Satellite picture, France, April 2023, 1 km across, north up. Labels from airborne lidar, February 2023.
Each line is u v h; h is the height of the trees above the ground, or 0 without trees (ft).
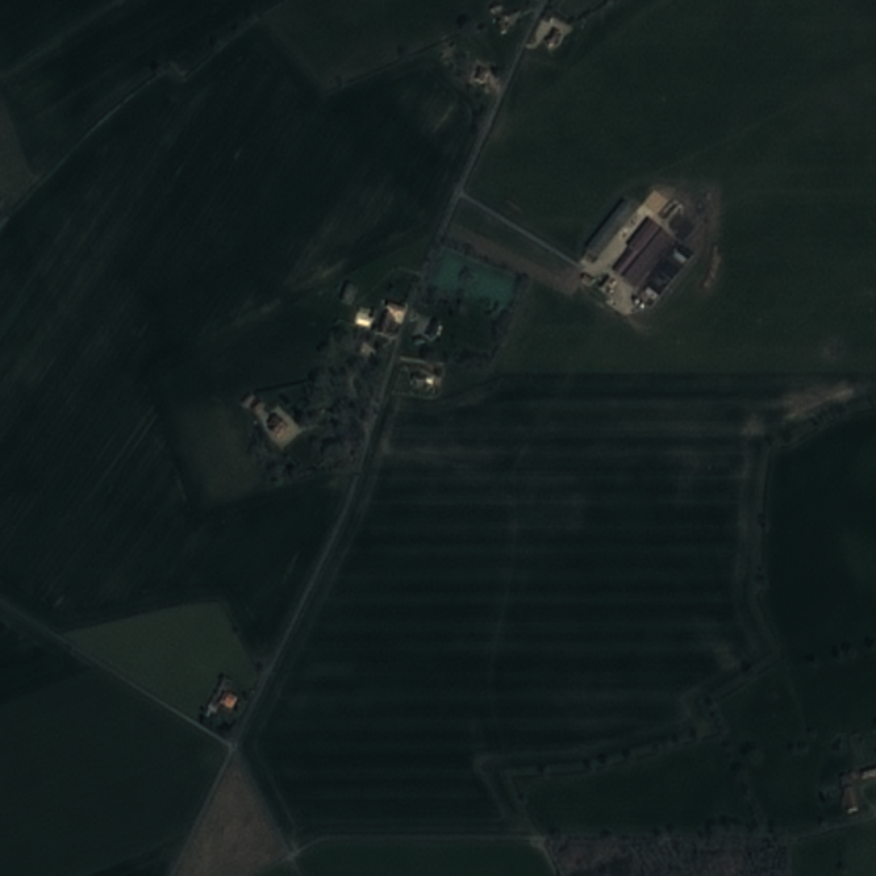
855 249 0
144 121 0
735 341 0
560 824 0
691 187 0
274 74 0
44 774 0
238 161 0
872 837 0
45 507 0
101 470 0
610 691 0
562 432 0
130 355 0
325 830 0
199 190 0
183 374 0
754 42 0
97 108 0
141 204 0
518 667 0
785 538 0
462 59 31
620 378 0
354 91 0
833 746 0
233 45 0
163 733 0
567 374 0
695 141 0
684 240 0
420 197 0
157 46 0
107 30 0
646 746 0
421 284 44
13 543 0
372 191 0
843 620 0
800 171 0
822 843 0
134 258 0
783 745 0
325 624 0
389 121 0
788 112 0
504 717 0
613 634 0
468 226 0
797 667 0
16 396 0
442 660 0
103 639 0
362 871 0
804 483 0
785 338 0
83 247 0
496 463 0
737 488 0
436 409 0
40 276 0
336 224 0
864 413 0
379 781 0
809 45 0
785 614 0
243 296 0
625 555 0
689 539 0
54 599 0
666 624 0
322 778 0
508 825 0
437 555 0
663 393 0
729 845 56
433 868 0
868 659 0
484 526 0
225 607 0
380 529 0
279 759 0
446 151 0
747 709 0
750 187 0
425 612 0
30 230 0
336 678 0
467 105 0
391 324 32
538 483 0
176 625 0
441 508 0
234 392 0
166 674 0
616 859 0
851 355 0
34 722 0
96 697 0
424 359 46
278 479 42
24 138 0
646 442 0
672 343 0
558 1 0
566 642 0
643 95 0
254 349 0
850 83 0
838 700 0
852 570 0
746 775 49
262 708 0
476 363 63
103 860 0
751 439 0
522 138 0
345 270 0
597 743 0
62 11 0
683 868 71
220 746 0
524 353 0
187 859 0
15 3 0
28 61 0
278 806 0
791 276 0
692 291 0
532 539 0
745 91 0
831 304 0
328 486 0
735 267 0
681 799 0
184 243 0
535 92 0
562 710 0
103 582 0
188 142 0
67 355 0
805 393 0
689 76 0
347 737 0
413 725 0
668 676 0
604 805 0
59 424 0
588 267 0
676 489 0
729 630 0
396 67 0
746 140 0
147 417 0
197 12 0
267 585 0
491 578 0
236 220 0
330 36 0
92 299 0
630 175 0
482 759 0
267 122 0
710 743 0
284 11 0
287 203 0
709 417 0
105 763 0
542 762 0
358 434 68
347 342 75
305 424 73
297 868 0
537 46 0
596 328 0
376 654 0
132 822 0
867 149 0
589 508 0
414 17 0
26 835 0
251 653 0
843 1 0
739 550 0
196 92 0
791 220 0
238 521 0
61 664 0
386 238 0
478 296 0
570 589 0
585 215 0
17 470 0
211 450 0
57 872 0
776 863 46
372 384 76
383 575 0
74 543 0
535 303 0
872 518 0
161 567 0
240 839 0
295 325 0
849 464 0
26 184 0
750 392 0
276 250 0
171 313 0
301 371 0
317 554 0
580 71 0
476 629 0
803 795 0
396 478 0
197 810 0
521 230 0
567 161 0
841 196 0
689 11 0
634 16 0
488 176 0
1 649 0
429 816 0
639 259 0
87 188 0
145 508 0
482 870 0
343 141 0
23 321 0
